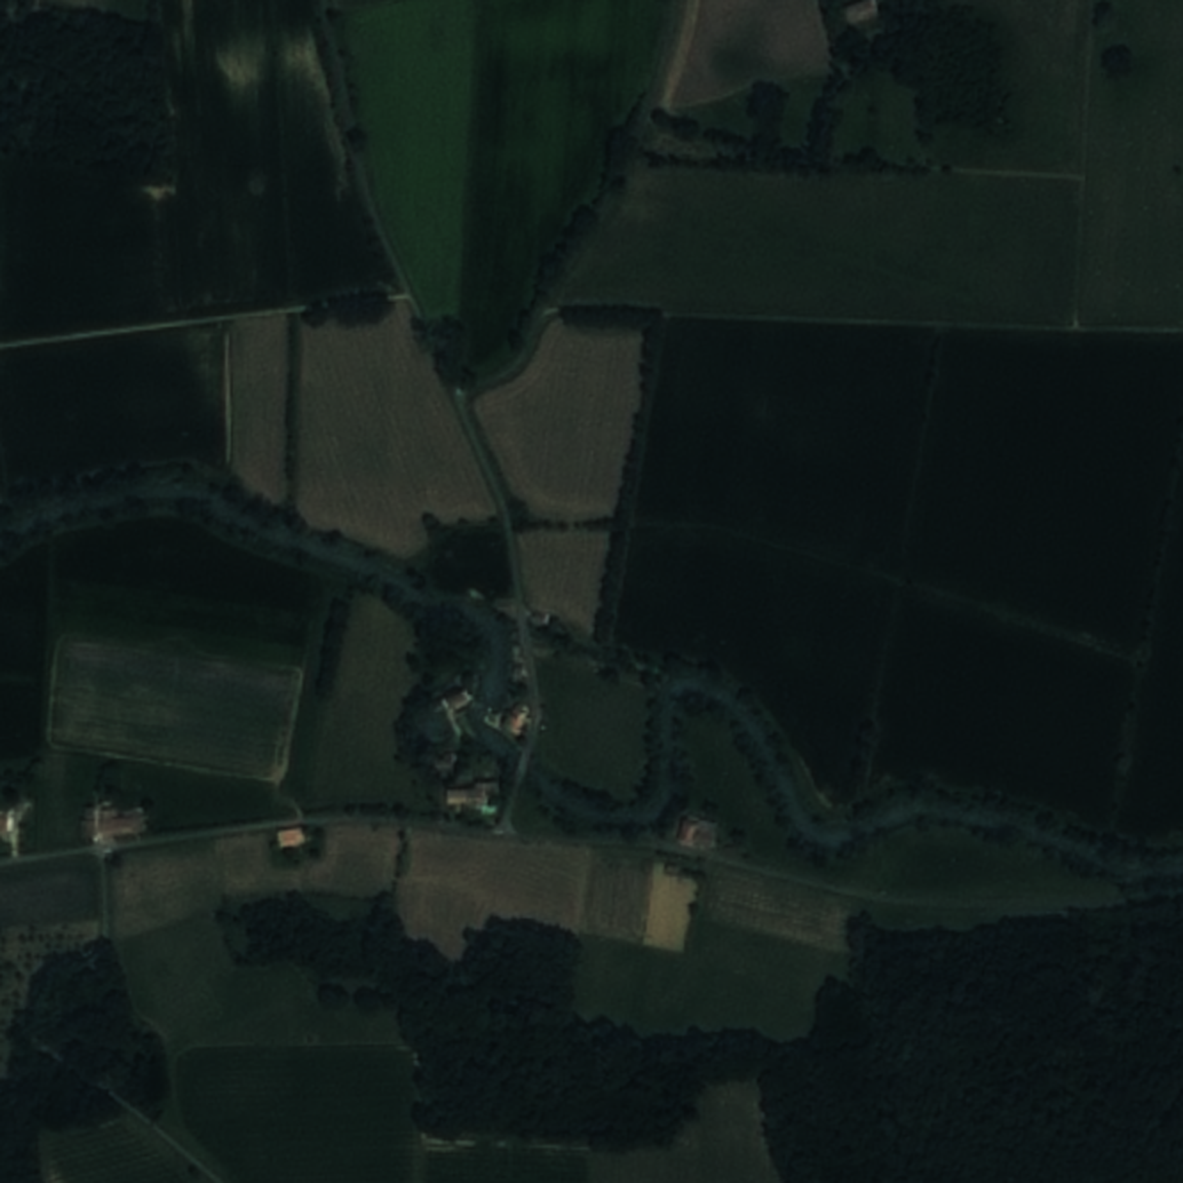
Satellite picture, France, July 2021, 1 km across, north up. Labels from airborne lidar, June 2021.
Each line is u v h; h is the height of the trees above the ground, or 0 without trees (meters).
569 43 0
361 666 0
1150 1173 20
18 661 0
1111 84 0
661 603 0
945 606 0
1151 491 0
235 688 0
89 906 0
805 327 0
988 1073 14
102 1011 27
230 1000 0
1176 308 0
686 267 0
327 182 0
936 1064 22
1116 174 0
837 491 0
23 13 9
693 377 0
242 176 0
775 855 0
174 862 0
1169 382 0
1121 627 0
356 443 0
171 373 0
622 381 0
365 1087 0
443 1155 0
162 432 0
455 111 0
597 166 0
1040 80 0
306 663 0
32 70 18
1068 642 0
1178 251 0
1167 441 0
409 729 19
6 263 0
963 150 0
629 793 0
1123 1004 14
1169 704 0
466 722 0
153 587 0
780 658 0
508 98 0
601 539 0
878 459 0
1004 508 0
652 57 0
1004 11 0
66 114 16
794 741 0
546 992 23
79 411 0
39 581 0
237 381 0
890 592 0
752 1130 0
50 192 0
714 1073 15
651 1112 12
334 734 0
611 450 0
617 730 0
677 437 0
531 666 0
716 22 0
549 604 0
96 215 0
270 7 0
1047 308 0
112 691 0
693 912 6
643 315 14
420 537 0
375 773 0
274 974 0
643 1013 0
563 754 0
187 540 0
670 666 11
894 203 0
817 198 0
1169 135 0
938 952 20
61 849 0
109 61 17
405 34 0
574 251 13
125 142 14
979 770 0
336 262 0
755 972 0
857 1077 30
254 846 0
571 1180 0
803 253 0
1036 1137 23
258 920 7
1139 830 0
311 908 7
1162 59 0
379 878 0
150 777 0
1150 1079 27
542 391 0
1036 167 0
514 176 0
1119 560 0
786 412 0
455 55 0
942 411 0
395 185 0
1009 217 0
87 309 0
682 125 17
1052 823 15
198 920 0
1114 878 6
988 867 0
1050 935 18
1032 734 0
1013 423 0
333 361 0
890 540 0
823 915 0
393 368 0
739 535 0
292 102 0
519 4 0
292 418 6
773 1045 16
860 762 16
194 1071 0
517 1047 18
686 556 0
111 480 17
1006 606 0
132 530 0
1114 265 0
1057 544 0
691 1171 0
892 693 0
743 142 14
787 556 0
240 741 0
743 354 0
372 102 0
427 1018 22
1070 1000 27
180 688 0
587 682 0
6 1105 21
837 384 0
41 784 0
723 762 0
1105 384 0
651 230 0
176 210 0
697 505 0
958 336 0
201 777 0
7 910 0
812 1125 24
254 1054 0
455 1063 24
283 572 0
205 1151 0
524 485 0
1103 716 0
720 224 0
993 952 20
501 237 0
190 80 0
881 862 0
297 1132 0
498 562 0
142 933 0
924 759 0
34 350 0
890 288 0
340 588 0
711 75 0
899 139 0
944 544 0
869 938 20
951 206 0
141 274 0
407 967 24
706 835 0
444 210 0
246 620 0
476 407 0
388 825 0
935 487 0
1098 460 0
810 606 0
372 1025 0
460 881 0
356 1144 0
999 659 0
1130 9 0
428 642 22
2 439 0
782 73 0
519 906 0
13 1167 24
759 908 0
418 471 0
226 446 0
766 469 0
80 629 0
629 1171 0
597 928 0
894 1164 31
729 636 0
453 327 21
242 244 0
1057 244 0
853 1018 17
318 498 0
